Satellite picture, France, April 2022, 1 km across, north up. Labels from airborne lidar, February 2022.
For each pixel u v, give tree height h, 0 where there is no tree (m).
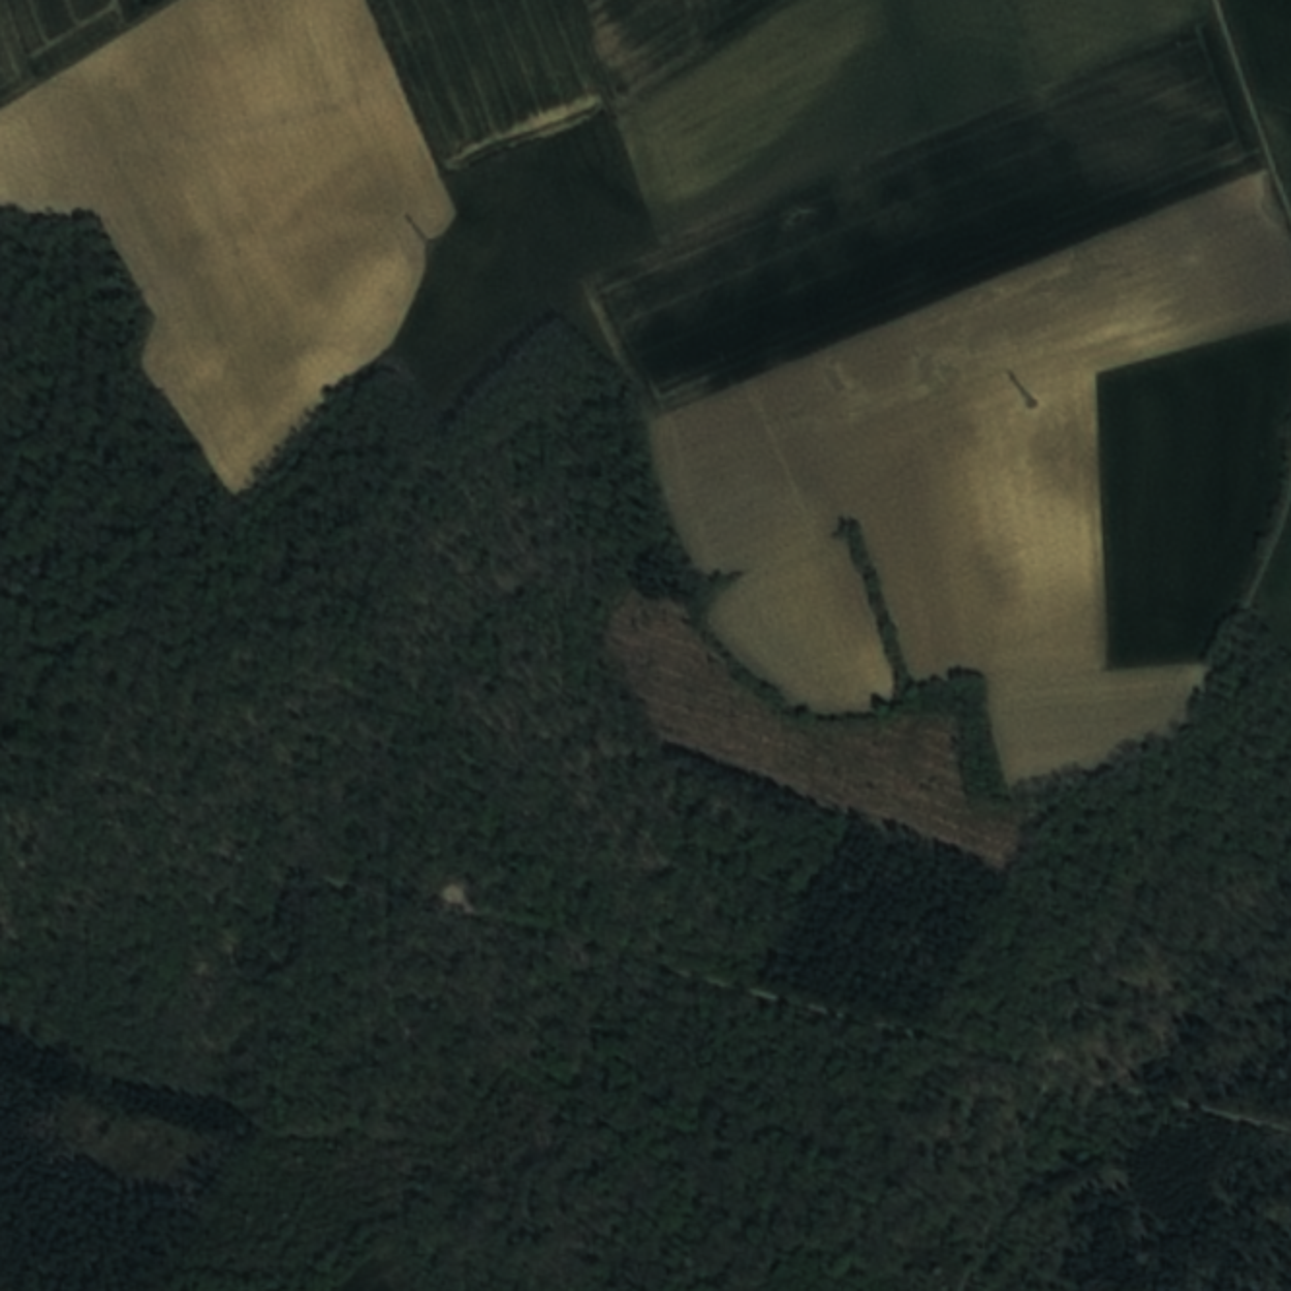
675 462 0
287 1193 10
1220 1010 22
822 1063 24
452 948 26
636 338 0
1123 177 0
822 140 0
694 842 22
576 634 20
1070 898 23
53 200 0
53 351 24
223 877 26
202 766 21
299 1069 25
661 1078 25
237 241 0
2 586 26
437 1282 21
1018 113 0
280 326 0
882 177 0
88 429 25
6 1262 25
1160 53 0
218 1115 16
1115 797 25
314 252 0
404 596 22
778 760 0
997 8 0
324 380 0
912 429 0
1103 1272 17
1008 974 22
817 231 0
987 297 0
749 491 0
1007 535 0
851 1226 24
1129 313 0
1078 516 0
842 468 0
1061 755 0
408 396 18
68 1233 25
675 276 0
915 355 0
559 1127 7
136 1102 17
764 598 0
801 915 23
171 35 0
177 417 14
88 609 24
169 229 0
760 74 0
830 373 0
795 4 0
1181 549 0
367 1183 6
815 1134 27
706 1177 27
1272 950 20
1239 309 0
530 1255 24
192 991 25
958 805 0
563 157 0
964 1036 20
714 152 0
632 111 0
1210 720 20
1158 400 0
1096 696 0
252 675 23
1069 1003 17
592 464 25
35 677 26
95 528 23
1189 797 24
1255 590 0
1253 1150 9
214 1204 16
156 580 24
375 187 0
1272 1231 12
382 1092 26
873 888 18
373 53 0
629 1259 24
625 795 21
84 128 0
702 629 11
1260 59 0
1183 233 0
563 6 0
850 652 0
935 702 14
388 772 24
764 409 0
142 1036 25
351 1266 18
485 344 0
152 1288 19
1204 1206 13
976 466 0
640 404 16
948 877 17
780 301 0
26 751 23
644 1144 21
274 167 0
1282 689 19
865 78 0
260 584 24
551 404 24
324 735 19
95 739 24
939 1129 26
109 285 18
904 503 0
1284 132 0
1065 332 0
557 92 0
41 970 25
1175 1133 11
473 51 0
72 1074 19
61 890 26
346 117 0
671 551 11
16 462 24
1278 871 22
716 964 22
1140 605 0
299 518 21
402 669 24
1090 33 0
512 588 22
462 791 23
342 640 22
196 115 0
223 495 18
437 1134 24
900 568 0
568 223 0
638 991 24
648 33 0
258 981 21
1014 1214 24
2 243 19
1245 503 0
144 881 24
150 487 24
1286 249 0
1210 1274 21
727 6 0
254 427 0
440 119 0
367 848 24
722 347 0
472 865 23
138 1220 29
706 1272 24
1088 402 0
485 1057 24
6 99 0
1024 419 0
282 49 0
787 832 22
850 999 12
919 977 19
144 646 26
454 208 0
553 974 25
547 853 23
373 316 0
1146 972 24
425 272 0
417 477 23
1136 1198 7
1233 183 0
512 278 0
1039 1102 21
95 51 0
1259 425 0
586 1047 24
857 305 0
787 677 0
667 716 0
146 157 0
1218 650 11
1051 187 0
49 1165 23
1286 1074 17
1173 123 0
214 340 0
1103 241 0
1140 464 0
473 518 26
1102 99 0
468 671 24
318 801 21
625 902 26
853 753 0
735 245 0
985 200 0
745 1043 21
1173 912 22
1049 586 0
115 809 25
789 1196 21
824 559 0
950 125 0
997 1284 17
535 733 24
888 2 0
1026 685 0
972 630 0
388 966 24
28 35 0
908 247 0
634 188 0
